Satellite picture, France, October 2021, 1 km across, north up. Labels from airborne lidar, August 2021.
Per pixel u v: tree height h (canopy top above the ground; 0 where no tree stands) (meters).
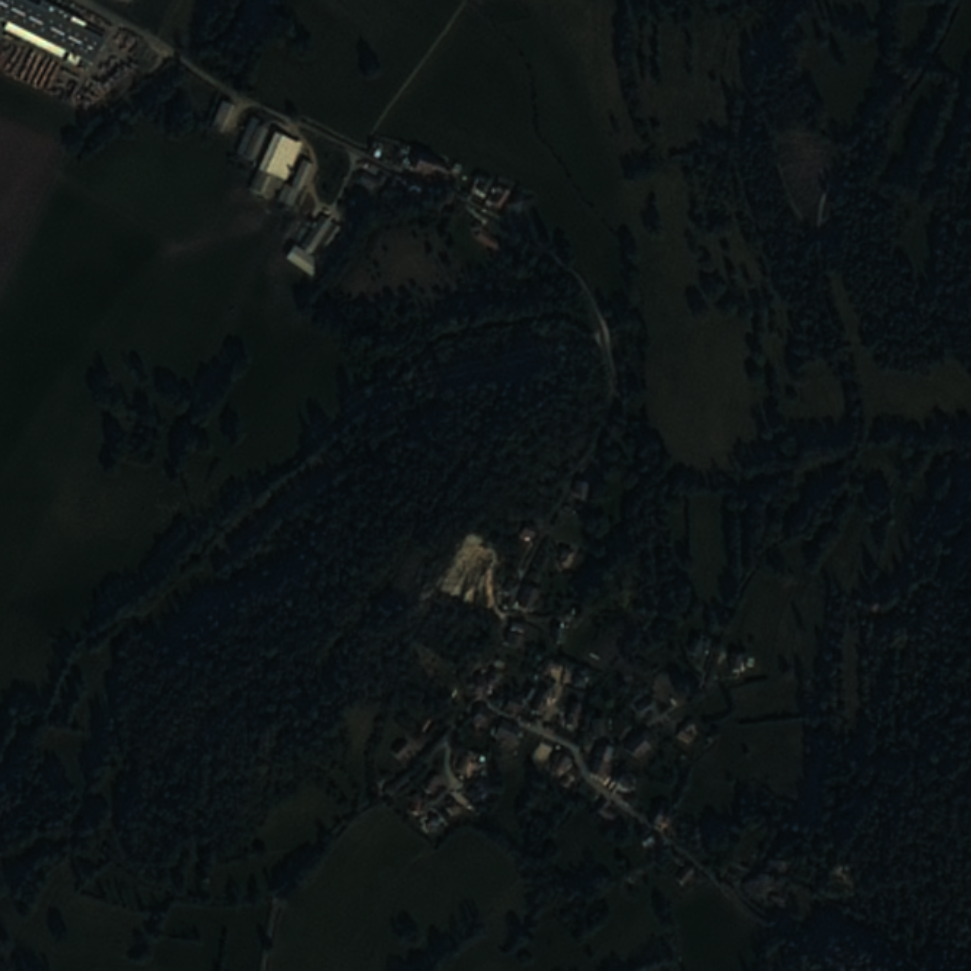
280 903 16
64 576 0
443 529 13
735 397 0
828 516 18
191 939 13
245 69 24
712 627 16
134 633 24
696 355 0
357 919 0
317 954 0
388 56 0
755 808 12
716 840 19
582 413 13
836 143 17
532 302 12
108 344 0
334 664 7
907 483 18
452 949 12
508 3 0
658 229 17
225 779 6
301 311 16
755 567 17
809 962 19
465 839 0
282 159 0
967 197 16
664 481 14
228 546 0
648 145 14
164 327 0
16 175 0
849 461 19
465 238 0
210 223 0
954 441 23
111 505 0
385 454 15
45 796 17
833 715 16
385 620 12
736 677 0
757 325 13
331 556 17
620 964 0
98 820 15
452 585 0
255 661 24
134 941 0
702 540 0
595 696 8
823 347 13
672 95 0
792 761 0
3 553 0
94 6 0
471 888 0
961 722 21
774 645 0
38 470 0
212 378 0
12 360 0
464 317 12
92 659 0
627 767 7
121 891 0
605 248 0
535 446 21
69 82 0
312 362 0
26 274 0
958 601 23
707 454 0
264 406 0
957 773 21
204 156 0
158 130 14
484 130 0
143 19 0
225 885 0
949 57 0
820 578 0
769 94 22
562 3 0
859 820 31
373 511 11
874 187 19
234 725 14
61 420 0
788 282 22
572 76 0
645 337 17
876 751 9
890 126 18
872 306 15
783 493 23
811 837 15
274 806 17
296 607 20
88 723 0
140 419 11
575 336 6
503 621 6
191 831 8
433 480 12
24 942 0
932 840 15
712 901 0
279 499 0
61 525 0
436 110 0
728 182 15
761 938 0
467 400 12
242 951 0
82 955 0
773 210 19
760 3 8
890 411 0
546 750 0
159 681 14
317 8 0
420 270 0
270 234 0
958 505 6
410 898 0
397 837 0
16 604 0
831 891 9
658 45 8
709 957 0
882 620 7
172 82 13
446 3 0
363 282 0
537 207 0
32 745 19
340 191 0
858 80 0
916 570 9
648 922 0
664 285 0
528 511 12
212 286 0
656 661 0
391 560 15
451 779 0
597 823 8
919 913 19
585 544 13
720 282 13
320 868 16
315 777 14
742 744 0
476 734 8
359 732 0
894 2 19
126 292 0
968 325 27
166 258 0
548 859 15
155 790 16
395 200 8
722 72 0
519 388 21
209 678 17
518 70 0
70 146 15
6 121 0
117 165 0
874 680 6
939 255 15
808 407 0
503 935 0
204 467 0
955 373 0
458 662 15
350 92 0
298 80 0
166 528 0
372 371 7
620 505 0
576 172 0
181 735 10
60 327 0
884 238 21
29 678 0
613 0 0
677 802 8
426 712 17
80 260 0
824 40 18
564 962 0
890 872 21
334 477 18
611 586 32
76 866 0
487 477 11
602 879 19
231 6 16
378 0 0
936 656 15
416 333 7
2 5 0
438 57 0
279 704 14
